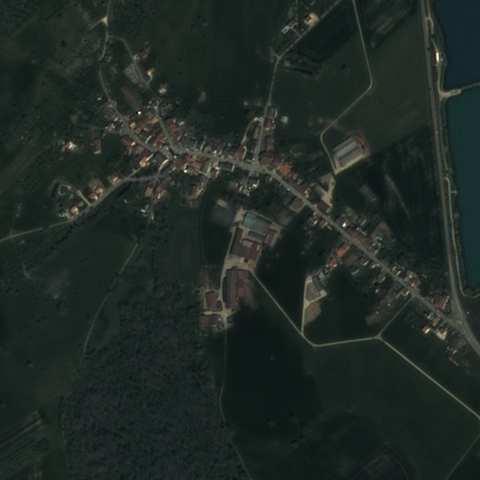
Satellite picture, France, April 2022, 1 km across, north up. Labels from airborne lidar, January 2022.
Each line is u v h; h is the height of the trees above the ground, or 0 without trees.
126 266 0
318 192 0
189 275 0
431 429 0
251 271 0
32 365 10
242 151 0
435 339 0
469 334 0
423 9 0
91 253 0
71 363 0
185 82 0
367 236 0
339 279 0
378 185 0
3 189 0
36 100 0
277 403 0
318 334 0
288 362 0
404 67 0
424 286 0
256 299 0
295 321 0
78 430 25
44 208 0
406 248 0
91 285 0
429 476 0
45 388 0
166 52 0
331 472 0
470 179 0
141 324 30
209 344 0
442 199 0
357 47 0
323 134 0
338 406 0
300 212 0
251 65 0
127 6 20
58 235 6
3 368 0
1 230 0
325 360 0
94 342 0
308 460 0
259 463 0
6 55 0
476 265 0
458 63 0
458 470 0
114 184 0
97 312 0
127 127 0
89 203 0
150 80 0
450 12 0
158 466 26
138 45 0
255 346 0
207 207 0
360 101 0
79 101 11
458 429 0
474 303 0
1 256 0
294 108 0
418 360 0
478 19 0
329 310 0
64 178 0
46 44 0
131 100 0
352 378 0
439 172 0
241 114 0
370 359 0
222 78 0
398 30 0
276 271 0
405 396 0
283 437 0
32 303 0
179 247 0
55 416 0
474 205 0
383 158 0
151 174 7
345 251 0
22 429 0
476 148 0
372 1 0
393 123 0
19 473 0
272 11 0
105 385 18
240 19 0
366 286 13
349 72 16
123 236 0
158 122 0
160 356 24
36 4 14
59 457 0
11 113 0
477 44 0
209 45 0
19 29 21
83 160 0
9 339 0
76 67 0
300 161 0
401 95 0
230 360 0
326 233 0
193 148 0
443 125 0
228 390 0
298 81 0
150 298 0
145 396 24
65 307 12
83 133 12
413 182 0
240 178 0
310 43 0
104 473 31
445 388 0
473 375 0
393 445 0
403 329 0
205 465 25
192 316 28
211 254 0
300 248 0
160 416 22
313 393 0
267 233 0
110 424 27
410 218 0
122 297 0
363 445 0
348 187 0
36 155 0
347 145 0
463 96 0
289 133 0
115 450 36
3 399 0
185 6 0
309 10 0
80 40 0
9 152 0
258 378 0
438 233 0
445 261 0
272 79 0
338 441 0
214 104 0
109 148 0
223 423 0
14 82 0
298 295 0
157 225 13
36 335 0
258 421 0
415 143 0
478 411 0
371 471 0
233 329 0
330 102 0
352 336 0
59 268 0
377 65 0
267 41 0
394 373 0
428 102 0
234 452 19
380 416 0
